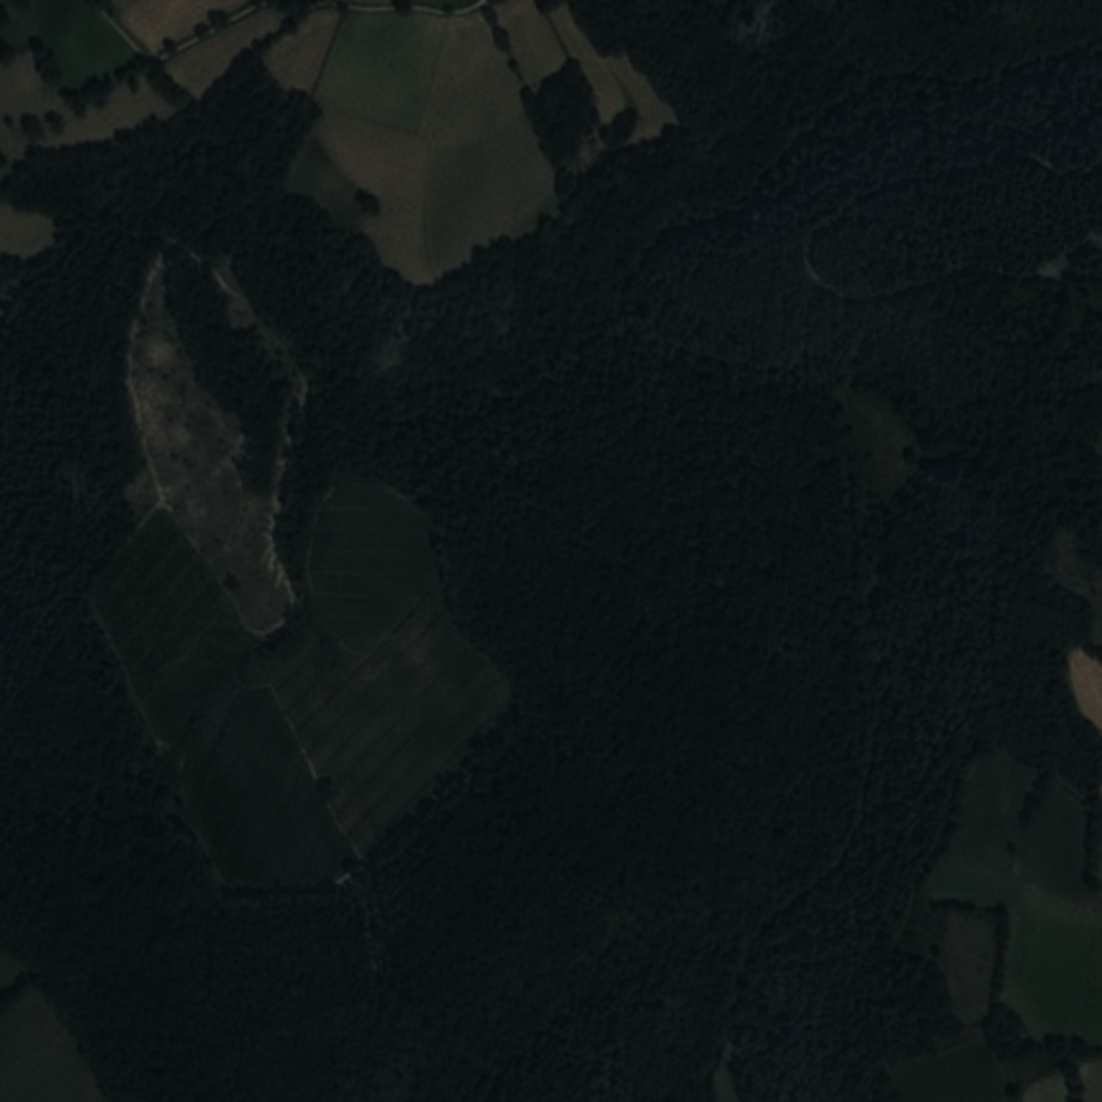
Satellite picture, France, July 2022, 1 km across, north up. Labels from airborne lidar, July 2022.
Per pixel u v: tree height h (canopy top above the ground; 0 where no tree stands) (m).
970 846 0
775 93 13
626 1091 15
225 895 21
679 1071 17
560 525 21
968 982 0
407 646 0
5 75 0
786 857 13
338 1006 17
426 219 0
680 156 16
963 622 14
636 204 17
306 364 7
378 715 0
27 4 12
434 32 0
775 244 19
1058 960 0
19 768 20
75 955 25
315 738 0
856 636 18
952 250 21
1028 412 20
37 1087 0
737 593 18
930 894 0
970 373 22
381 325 11
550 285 11
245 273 15
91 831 20
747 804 14
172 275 20
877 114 13
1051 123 19
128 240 17
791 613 12
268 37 7
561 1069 17
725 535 16
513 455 17
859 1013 11
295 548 19
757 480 14
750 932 16
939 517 19
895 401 7
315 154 0
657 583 22
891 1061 16
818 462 20
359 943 18
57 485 11
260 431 16
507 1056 10
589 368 19
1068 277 15
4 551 31
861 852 13
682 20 14
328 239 17
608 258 22
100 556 10
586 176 16
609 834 24
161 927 25
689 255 25
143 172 15
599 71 0
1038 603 21
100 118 0
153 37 0
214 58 0
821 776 18
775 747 15
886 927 13
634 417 14
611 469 18
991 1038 16
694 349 14
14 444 18
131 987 26
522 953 17
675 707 23
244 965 18
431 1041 13
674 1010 10
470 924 22
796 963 9
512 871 23
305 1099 13
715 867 15
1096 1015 0
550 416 19
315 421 15
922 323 23
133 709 20
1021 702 22
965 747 10
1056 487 21
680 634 21
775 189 29
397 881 33
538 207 0
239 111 17
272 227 19
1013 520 19
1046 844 0
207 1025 20
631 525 18
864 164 20
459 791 23
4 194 16
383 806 0
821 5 15
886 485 0
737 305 15
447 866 23
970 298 15
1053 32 20
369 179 0
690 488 15
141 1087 24
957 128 11
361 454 17
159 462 0
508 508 13
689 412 22
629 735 21
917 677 8
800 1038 20
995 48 20
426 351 13
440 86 0
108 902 22
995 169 21
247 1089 19
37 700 21
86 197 16
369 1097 13
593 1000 14
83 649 21
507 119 0
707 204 21
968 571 18
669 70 20
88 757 18
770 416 20
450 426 17
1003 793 0
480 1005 13
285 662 0
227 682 0
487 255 14
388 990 17
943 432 21
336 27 0
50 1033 0
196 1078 19
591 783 22
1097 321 12
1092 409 15
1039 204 20
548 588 22
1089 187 21
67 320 15
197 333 19
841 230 17
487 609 21
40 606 31
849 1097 13
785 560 13
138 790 21
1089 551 17
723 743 19
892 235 26
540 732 21
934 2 18
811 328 16
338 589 0
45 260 16
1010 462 21
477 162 0
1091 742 14
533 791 23
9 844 19
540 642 22
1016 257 20
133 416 17
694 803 21
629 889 19
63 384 19
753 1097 15
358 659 0
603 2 15
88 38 0
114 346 14
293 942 18
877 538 13
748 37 12
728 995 19
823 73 19
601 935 17
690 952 15
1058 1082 0
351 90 0
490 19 14
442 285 13
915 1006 15
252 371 19
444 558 19
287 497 22
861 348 17
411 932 20
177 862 26
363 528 0
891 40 21
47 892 27
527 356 13
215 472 0
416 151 0
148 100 0
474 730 0
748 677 19
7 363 21
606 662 21
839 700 17
